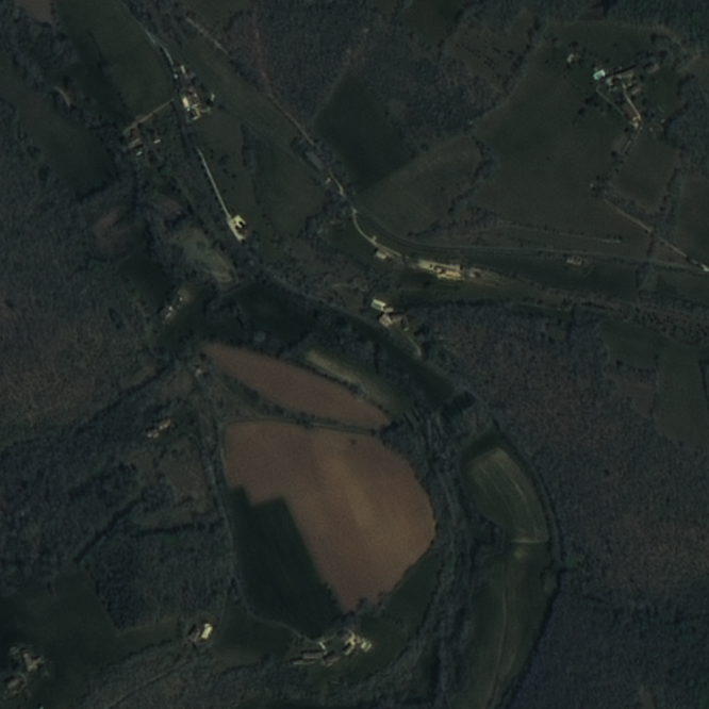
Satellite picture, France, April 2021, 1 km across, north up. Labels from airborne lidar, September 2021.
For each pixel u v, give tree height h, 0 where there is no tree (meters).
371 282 11
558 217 0
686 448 13
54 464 17
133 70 0
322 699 20
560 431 8
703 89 21
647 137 0
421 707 17
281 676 17
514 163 0
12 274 16
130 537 22
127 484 8
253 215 0
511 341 10
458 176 0
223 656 0
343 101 0
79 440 17
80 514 19
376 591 0
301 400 0
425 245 0
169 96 0
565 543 18
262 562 0
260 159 0
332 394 0
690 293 0
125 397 16
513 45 0
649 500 9
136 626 13
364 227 0
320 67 17
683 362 0
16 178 18
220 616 15
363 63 8
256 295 0
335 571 0
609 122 0
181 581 18
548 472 11
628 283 0
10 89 0
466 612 16
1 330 13
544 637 15
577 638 14
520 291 0
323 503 0
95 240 15
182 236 30
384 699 14
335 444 0
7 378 13
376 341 0
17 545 14
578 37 0
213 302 12
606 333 0
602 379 12
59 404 12
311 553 0
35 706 0
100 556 17
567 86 0
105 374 13
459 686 16
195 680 14
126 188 18
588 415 7
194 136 10
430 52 10
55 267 15
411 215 0
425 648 13
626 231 0
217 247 10
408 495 0
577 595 15
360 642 0
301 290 15
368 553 0
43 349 12
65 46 27
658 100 0
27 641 0
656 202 0
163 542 14
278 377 0
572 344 14
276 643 0
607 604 13
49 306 19
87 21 0
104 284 20
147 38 0
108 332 7
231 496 0
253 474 0
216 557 18
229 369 0
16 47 25
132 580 18
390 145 0
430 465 14
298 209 0
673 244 6
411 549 0
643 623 19
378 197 0
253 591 0
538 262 0
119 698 18
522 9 18
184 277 34
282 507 0
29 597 0
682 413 0
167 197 0
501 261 0
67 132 0
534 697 11
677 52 15
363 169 0
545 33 13
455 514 31
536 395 6
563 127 0
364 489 0
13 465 18
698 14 23
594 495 9
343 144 0
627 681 14
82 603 0
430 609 10
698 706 16
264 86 17
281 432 0
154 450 6
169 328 0
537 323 16
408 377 22
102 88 0
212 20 0
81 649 0
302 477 0
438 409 0
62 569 13
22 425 15
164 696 13
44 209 15
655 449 10
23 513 17
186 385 0
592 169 0
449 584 16
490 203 0
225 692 22
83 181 0
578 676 13
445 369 8
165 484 14
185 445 0
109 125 8
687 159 14
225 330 0
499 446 0
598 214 0
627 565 9
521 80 12
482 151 15
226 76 0
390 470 0
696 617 14
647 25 15
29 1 0
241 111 0
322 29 17
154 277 0
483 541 0
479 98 12
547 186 0
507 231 0
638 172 0
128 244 0
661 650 20
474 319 16
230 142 0
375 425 0
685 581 8
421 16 0
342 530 0
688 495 11
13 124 20
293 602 0
